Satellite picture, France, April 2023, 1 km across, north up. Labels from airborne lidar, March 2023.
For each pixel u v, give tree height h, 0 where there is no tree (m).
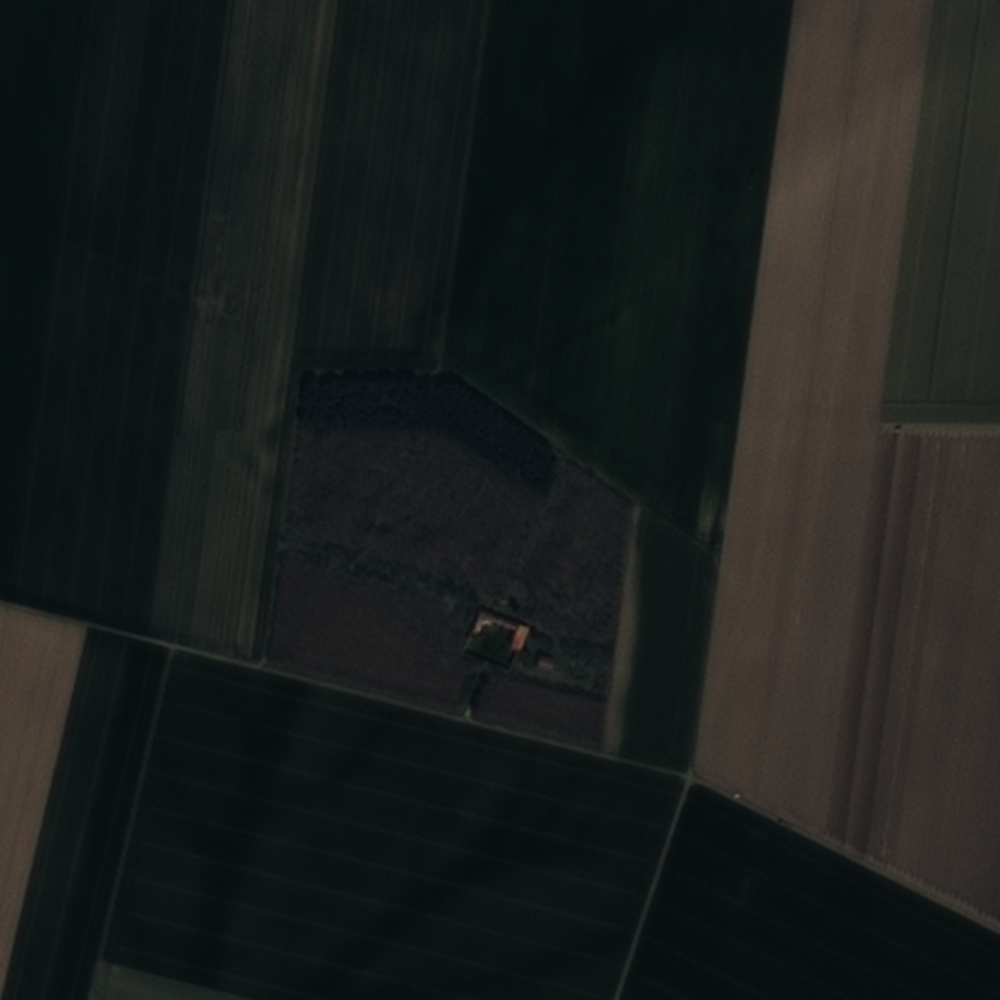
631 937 0
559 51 0
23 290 0
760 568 0
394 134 0
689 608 0
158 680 0
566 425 0
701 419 0
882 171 0
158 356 0
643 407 0
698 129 0
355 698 0
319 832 0
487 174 0
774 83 0
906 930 0
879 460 0
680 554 0
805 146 0
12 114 0
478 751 0
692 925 0
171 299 0
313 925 0
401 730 0
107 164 0
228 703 0
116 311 0
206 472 0
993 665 0
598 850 0
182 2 0
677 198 0
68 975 0
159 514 0
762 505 0
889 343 0
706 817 0
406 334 0
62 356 0
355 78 0
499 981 0
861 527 0
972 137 0
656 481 0
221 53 0
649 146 0
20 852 0
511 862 0
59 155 0
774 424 0
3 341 0
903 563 0
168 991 0
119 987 0
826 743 0
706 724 0
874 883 0
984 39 0
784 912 0
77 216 0
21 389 0
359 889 0
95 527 0
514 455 12
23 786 0
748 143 0
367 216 0
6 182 0
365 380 10
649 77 0
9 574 0
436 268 0
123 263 0
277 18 0
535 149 0
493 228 0
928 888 0
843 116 0
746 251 0
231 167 0
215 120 0
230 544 0
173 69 0
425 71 0
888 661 0
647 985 0
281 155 0
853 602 0
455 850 0
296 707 0
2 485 0
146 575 0
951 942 0
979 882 0
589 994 0
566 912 0
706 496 0
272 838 0
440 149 0
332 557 13
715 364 0
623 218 0
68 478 0
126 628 0
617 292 0
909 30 0
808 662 0
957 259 0
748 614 0
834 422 0
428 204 0
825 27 0
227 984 0
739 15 0
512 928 0
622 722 0
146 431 0
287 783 0
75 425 0
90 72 0
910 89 0
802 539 0
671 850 0
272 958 0
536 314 0
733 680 0
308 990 0
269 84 0
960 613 0
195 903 0
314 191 0
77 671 0
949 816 0
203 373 0
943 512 0
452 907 0
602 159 0
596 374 0
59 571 0
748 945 0
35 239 0
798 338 0
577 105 0
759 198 0
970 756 0
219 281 0
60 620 0
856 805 0
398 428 10
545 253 0
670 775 0
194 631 0
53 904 0
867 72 0
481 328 0
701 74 0
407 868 0
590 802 0
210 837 0
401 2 0
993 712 0
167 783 0
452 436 12
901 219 0
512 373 0
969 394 0
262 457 0
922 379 0
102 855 0
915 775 0
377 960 0
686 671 0
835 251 0
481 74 0
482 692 12
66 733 0
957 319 0
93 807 0
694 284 0
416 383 13
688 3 0
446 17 0
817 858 0
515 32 0
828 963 0
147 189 0
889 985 0
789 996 0
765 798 0
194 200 0
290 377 0
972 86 0
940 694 0
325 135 0
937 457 0
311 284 0
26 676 0
